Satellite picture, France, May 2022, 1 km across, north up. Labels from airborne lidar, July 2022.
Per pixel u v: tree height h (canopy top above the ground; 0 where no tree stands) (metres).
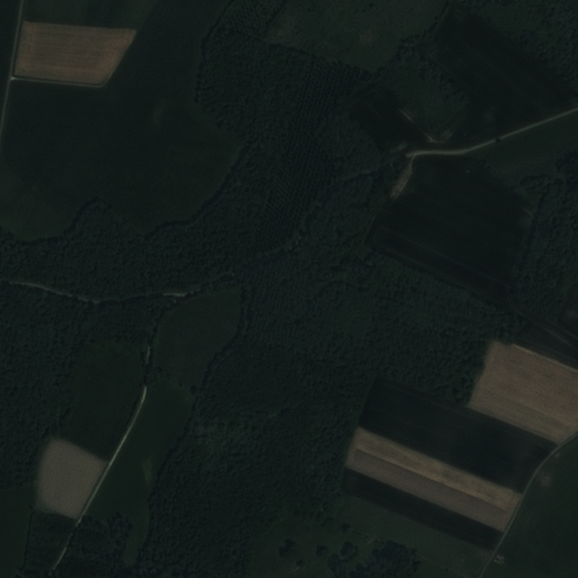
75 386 0
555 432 0
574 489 0
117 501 0
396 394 0
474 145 0
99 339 16
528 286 24
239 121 16
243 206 20
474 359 20
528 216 0
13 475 21
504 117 0
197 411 13
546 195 17
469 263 0
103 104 0
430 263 0
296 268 30
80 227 18
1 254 20
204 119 0
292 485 16
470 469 0
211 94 19
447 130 0
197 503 18
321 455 21
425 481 0
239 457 13
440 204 0
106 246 19
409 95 13
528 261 17
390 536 0
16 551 0
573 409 0
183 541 17
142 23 0
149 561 16
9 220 0
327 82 20
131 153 0
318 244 24
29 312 22
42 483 0
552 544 0
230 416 13
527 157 0
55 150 0
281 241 21
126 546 16
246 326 17
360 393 17
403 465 0
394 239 0
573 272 23
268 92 20
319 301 29
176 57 0
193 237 19
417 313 24
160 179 0
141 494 0
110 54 0
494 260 0
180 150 0
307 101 21
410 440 0
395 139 0
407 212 0
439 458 0
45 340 22
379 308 20
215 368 12
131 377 0
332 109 17
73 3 0
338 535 0
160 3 0
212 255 21
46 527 8
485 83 0
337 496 18
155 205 0
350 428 17
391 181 17
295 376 16
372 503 0
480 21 0
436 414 0
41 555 9
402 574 9
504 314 17
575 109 0
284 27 0
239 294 0
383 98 0
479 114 0
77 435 0
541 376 0
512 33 24
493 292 0
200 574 16
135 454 0
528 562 0
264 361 16
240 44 19
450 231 0
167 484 15
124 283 22
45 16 0
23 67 0
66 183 0
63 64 0
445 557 0
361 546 0
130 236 19
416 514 0
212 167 0
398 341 28
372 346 28
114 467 0
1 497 0
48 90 0
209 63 17
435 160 0
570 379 0
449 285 18
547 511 0
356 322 26
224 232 21
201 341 0
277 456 17
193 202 0
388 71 10
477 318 31
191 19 0
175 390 0
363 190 30
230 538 11
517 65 0
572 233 23
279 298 27
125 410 0
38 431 22
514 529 0
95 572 13
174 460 12
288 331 28
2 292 21
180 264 21
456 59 0
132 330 22
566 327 0
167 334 0
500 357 0
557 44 17
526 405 0
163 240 19
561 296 22
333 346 23
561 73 7
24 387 21
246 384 16
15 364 21
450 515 0
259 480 17
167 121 0
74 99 0
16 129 0
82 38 0
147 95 0
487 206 0
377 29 0
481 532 0
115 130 0
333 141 29
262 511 13
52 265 21
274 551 0
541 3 15
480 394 0
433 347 26
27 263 21
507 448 0
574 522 0
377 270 19
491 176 0
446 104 21
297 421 16
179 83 0
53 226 0
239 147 0
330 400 19
